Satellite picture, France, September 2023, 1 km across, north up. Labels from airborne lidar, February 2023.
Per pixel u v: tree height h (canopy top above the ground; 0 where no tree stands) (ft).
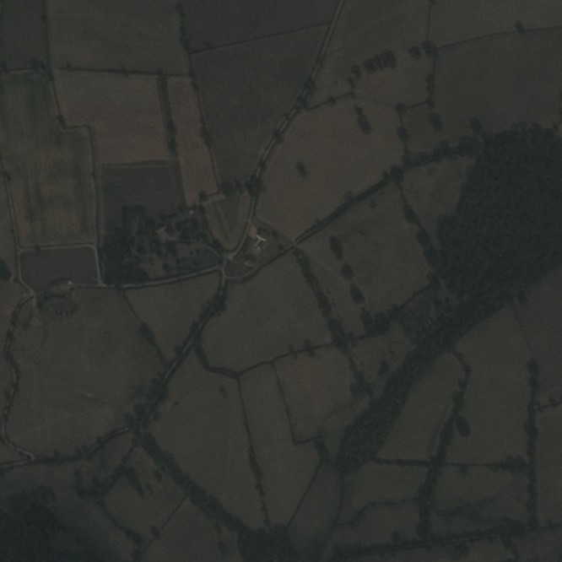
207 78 0
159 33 0
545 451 0
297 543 0
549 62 0
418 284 0
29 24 0
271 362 31
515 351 0
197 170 0
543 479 0
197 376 0
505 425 0
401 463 29
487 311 58
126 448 0
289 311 0
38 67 39
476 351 0
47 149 0
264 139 0
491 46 0
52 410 0
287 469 0
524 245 66
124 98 0
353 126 0
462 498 0
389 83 0
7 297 0
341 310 0
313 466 0
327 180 0
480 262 63
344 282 0
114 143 0
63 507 0
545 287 0
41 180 0
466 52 0
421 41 0
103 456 0
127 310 0
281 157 0
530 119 0
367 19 0
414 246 0
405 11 0
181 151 0
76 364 0
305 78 0
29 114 0
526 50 0
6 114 0
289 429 0
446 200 0
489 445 0
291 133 0
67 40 0
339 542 0
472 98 0
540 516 0
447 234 65
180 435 0
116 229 0
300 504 0
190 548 0
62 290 0
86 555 18
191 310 0
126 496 0
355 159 0
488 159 73
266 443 0
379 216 0
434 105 49
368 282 0
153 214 0
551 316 0
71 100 0
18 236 0
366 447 54
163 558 0
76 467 0
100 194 0
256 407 0
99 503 50
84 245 0
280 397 0
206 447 0
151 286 0
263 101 0
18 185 0
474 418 0
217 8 0
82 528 0
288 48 0
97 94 0
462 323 63
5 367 0
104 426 0
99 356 0
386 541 0
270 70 0
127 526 0
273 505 0
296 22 0
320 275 0
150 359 0
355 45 0
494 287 65
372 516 0
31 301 0
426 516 41
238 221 0
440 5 0
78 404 0
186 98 0
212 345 0
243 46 0
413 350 0
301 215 0
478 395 0
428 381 0
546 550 0
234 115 0
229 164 0
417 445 0
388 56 51
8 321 0
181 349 32
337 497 0
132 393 0
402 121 0
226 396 25
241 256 0
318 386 0
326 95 0
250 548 70
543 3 0
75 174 0
